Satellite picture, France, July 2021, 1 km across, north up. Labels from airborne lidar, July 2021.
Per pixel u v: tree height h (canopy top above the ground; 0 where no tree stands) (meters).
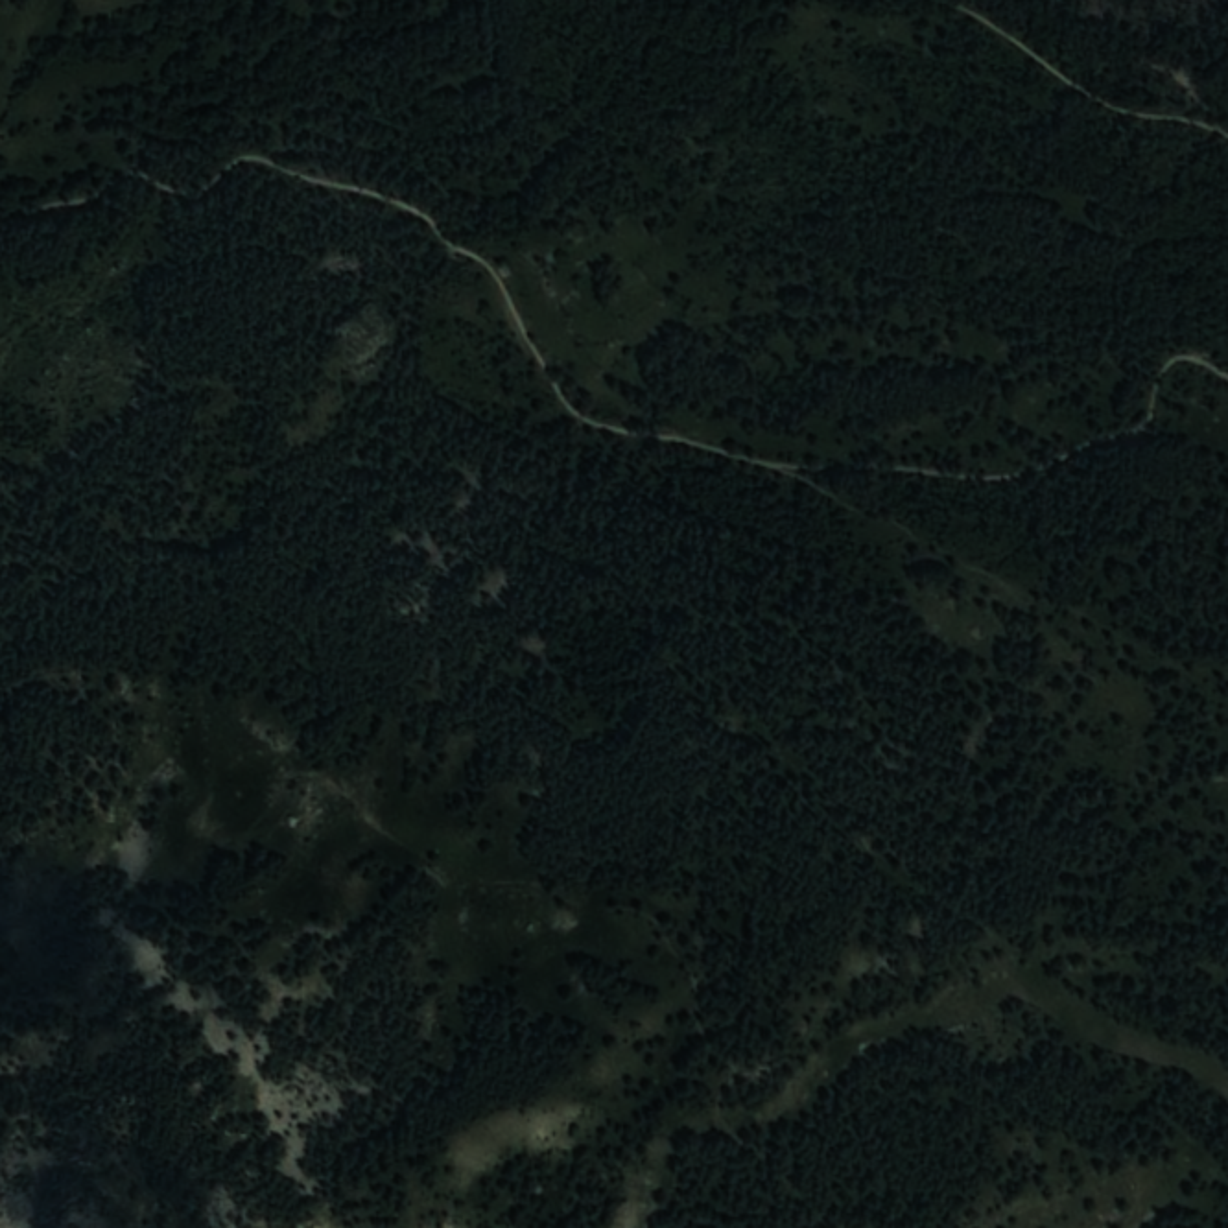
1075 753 0
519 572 27
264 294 21
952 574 16
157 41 11
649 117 19
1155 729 8
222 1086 12
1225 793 0
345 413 10
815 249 20
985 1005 0
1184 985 20
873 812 23
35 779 21
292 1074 6
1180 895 18
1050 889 27
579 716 7
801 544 11
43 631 24
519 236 6
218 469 8
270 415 20
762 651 27
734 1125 0
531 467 30
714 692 9
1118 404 20
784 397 10
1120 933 17
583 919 0
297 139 11
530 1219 10
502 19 25
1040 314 20
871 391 25
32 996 9
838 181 9
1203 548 19
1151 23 11
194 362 17
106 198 11
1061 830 28
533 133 22
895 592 9
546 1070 18
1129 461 24
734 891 26
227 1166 18
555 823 19
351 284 22
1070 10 16
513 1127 0
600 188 16
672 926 15
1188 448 20
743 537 26
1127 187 16
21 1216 0
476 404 10
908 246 19
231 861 20
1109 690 0
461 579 25
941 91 6
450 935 0
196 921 22
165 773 0
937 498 8
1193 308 9
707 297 0
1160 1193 0
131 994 13
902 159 18
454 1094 21
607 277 22
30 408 8
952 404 19
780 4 10
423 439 28
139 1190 10
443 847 0
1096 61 16
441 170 11
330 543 26
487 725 27
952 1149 26
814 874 25
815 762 24
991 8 26
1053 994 0
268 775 0
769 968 25
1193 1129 24
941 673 23
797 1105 0
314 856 0
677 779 25
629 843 25
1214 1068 0
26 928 0
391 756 0
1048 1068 32
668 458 13
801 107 14
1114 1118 26
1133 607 20
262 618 24
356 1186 16
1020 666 24
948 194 27
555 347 0
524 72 26
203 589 25
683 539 9
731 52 20
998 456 16
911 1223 23
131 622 22
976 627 0
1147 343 19
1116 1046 0
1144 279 19
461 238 8
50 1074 15
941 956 23
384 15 17
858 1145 23
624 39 22
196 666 23
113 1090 7
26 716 22
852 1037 0
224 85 16
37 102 0
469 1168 0
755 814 8
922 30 10
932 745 26
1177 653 23
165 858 0
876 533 0
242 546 26
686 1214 13
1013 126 11
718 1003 19
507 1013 18
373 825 0
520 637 28
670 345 26
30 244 25
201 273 19
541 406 19
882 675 23
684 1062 20
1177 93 9
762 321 10
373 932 18
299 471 19
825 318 22
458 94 25
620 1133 13
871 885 25
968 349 0
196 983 18
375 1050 17
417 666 21
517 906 0
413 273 19
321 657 29
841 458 0
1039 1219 0
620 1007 13
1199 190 21
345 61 17
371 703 19
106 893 15
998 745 11
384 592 19
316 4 19
